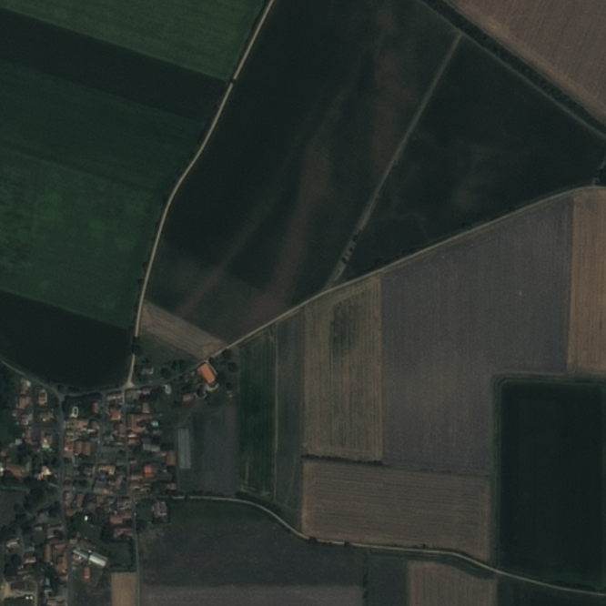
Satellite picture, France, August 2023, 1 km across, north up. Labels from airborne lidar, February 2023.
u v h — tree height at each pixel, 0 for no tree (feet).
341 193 0
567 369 0
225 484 0
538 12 0
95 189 0
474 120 0
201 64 0
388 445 0
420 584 0
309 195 0
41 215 0
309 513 0
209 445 0
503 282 0
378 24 0
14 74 0
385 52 0
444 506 0
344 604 0
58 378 0
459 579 0
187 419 0
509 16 0
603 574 0
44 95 0
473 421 0
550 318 0
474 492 0
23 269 0
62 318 0
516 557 0
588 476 0
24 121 0
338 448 0
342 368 0
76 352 0
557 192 0
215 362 28
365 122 0
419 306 0
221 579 0
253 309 0
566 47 0
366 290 0
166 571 0
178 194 0
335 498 0
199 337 0
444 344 0
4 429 0
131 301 0
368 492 0
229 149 0
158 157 0
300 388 0
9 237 0
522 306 0
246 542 0
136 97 0
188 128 0
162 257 0
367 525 0
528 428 0
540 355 0
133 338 0
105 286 0
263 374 0
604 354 0
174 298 0
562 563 0
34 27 0
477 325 0
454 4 0
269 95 0
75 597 0
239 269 0
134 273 0
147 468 0
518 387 0
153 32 0
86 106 0
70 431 0
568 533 0
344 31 0
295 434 0
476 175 0
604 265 0
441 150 0
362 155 0
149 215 0
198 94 0
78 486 25
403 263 0
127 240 0
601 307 0
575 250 0
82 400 27
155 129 0
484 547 0
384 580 0
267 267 0
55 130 0
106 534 34
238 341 0
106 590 0
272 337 0
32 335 0
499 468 0
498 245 0
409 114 0
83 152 0
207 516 0
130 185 0
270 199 0
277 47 0
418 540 0
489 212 0
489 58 0
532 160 0
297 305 0
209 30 0
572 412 0
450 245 0
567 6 0
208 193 0
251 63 0
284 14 0
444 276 0
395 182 0
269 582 0
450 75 0
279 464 0
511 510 0
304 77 0
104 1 0
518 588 0
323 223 0
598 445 0
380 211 0
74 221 0
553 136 0
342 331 0
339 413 0
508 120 0
